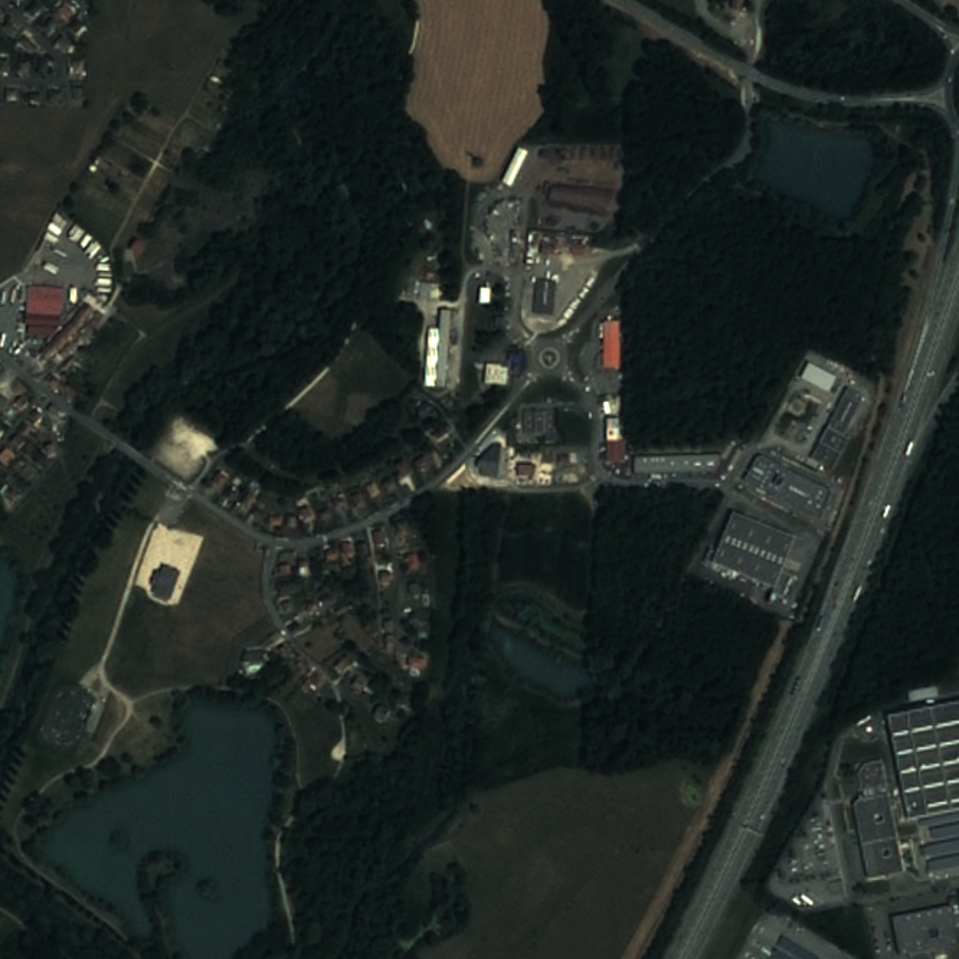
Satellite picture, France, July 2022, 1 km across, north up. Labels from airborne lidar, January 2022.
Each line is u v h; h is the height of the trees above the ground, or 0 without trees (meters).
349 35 11
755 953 0
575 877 0
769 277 23
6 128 0
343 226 17
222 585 0
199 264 14
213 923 0
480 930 0
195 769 0
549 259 0
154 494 0
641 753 18
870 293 17
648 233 20
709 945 0
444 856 0
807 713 0
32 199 0
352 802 19
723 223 23
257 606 0
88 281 0
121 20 0
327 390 0
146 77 0
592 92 19
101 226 0
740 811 0
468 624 18
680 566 15
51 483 0
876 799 0
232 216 0
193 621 0
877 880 0
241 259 21
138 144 0
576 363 0
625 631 19
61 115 0
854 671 17
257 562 0
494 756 0
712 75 13
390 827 13
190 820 0
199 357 19
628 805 0
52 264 0
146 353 0
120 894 0
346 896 7
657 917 0
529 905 0
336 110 20
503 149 0
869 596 7
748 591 0
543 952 0
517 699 0
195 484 0
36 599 13
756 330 22
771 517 0
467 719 14
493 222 0
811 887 0
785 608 0
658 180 22
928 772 0
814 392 0
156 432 15
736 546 0
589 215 0
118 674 0
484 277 0
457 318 0
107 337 0
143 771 7
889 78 14
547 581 0
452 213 13
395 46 18
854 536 0
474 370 0
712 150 25
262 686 15
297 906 6
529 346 0
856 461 0
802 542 0
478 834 0
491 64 0
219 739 0
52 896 12
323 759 0
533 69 0
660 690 21
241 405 12
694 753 6
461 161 0
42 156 0
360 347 0
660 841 0
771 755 0
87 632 0
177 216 6
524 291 0
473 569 17
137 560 0
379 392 0
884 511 0
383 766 9
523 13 0
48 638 14
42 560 0
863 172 0
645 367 19
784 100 12
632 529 19
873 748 0
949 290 0
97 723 0
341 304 11
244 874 0
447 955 0
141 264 0
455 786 16
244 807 0
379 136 17
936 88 0
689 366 25
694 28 9
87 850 0
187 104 0
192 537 0
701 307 20
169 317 0
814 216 8
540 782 0
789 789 11
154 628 0
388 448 21
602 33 22
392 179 14
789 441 0
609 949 0
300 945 7
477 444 0
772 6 9
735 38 0
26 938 16
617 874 0
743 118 20
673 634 12
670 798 0
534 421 0
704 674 20
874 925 0
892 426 0
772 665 0
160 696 0
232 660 0
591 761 16
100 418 0
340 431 0
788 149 0
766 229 20
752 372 15
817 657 0
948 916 0
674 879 0
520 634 6
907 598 20
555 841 0
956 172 0
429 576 0
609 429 0
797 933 0
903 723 0
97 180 0
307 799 20
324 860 15
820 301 26
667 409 23
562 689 0
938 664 23
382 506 0
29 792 0
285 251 7
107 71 0
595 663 15
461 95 0
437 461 0
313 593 0
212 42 0
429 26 0
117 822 0
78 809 0
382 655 0
